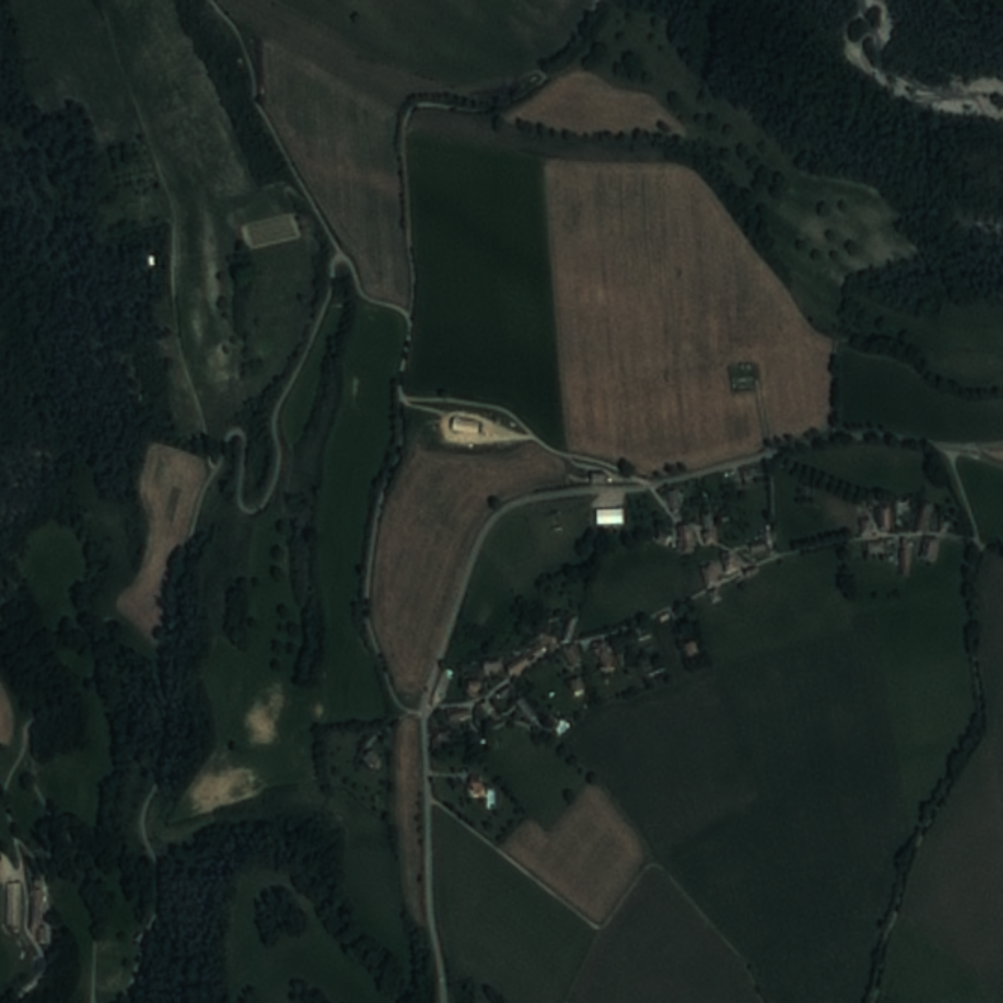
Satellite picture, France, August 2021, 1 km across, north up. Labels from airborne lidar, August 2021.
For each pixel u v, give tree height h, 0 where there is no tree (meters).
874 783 0
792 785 0
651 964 0
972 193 8
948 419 0
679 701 0
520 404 0
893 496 9
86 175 10
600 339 0
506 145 0
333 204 0
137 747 26
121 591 0
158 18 0
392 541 0
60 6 0
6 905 0
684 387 0
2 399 16
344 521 0
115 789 20
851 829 0
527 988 0
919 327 0
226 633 6
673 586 0
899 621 0
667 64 0
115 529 0
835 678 0
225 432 0
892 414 0
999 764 0
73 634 22
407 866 0
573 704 0
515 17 0
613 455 0
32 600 12
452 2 0
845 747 0
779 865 0
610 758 0
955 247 6
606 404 0
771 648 0
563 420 0
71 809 0
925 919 0
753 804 0
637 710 0
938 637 0
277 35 0
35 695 16
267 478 10
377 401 0
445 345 0
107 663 18
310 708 0
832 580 0
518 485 0
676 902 0
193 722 15
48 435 17
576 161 0
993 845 0
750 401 0
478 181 0
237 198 0
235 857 15
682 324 0
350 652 0
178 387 0
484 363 0
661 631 0
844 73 14
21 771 0
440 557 0
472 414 0
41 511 16
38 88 0
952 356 0
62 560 0
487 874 0
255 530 0
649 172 0
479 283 0
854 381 0
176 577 13
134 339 9
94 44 0
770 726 0
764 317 0
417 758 0
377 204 0
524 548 0
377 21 0
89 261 25
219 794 0
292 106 0
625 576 0
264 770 0
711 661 9
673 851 0
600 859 0
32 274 15
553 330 0
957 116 10
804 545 13
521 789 0
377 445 0
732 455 0
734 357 0
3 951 0
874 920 0
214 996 17
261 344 0
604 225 0
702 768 0
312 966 0
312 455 0
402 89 0
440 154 0
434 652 0
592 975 0
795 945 0
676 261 0
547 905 0
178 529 0
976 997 0
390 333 0
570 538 0
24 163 17
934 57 7
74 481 8
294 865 15
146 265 16
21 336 16
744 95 16
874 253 0
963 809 0
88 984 0
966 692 0
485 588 0
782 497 0
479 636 6
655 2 18
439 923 0
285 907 20
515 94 10
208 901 7
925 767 0
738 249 0
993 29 13
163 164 0
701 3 22
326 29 0
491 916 0
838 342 0
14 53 7
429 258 0
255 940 0
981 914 0
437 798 0
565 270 0
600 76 0
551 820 0
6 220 16
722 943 0
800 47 21
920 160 12
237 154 0
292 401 0
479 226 0
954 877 0
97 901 19
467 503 0
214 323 0
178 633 20
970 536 6
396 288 0
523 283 0
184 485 0
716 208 0
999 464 0
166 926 16
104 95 0
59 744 22
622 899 0
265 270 0
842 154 15
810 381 0
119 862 17
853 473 0
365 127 0
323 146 0
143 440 16
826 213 11
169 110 0
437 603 0
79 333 17
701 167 8
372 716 0
